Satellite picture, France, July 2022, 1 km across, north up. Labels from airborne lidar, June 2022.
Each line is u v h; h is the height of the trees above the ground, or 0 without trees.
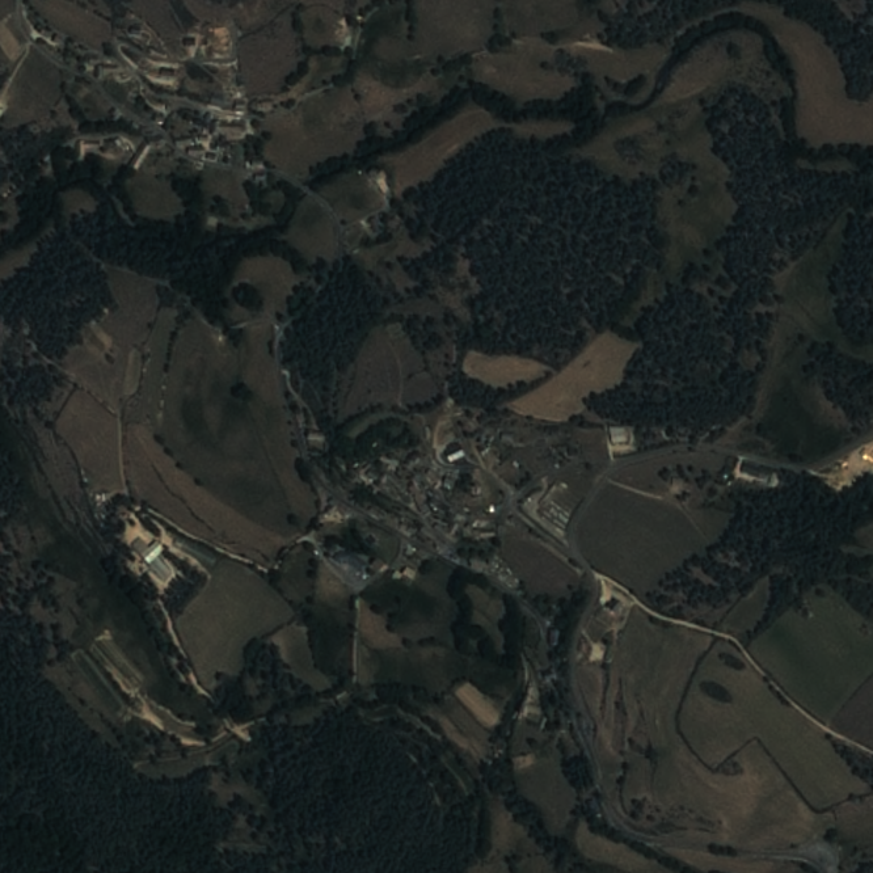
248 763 0
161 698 0
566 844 17
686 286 9
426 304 0
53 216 13
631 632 0
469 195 18
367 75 0
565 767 13
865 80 16
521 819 13
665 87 0
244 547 0
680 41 12
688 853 0
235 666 0
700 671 0
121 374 0
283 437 0
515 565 0
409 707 12
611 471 0
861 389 9
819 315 0
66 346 13
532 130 0
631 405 16
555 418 0
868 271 15
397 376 0
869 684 0
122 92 0
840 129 0
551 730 12
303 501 0
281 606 0
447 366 12
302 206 0
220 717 14
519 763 0
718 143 11
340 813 24
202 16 0
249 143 12
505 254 21
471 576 16
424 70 0
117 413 0
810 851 0
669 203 0
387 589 0
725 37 0
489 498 0
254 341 0
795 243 17
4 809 15
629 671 0
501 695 0
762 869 0
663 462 0
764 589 0
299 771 20
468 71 0
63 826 14
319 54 6
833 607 0
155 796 18
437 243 18
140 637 0
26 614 9
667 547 0
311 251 0
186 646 0
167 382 0
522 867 0
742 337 26
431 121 13
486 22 0
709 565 9
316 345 14
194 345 0
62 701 11
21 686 20
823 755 0
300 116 0
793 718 0
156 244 17
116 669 0
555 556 0
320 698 11
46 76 0
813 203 17
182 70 0
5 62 0
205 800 18
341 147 0
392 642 0
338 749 20
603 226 18
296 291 15
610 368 0
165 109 0
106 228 30
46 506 0
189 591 15
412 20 14
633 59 0
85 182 11
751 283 25
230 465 0
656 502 0
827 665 0
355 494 8
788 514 10
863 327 17
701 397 16
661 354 20
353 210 0
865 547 0
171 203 0
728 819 0
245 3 0
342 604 0
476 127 0
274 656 16
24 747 11
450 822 21
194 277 20
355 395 0
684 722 0
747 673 0
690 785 0
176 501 0
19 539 0
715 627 6
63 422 0
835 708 0
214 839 18
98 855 17
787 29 0
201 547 10
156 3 0
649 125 0
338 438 14
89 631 0
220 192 0
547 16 0
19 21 0
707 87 0
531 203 13
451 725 0
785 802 0
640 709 0
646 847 9
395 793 20
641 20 12
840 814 0
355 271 17
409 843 21
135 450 0
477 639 15
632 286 21
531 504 0
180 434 0
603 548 0
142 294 0
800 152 13
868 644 0
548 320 22
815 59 0
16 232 13
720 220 0
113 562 17
